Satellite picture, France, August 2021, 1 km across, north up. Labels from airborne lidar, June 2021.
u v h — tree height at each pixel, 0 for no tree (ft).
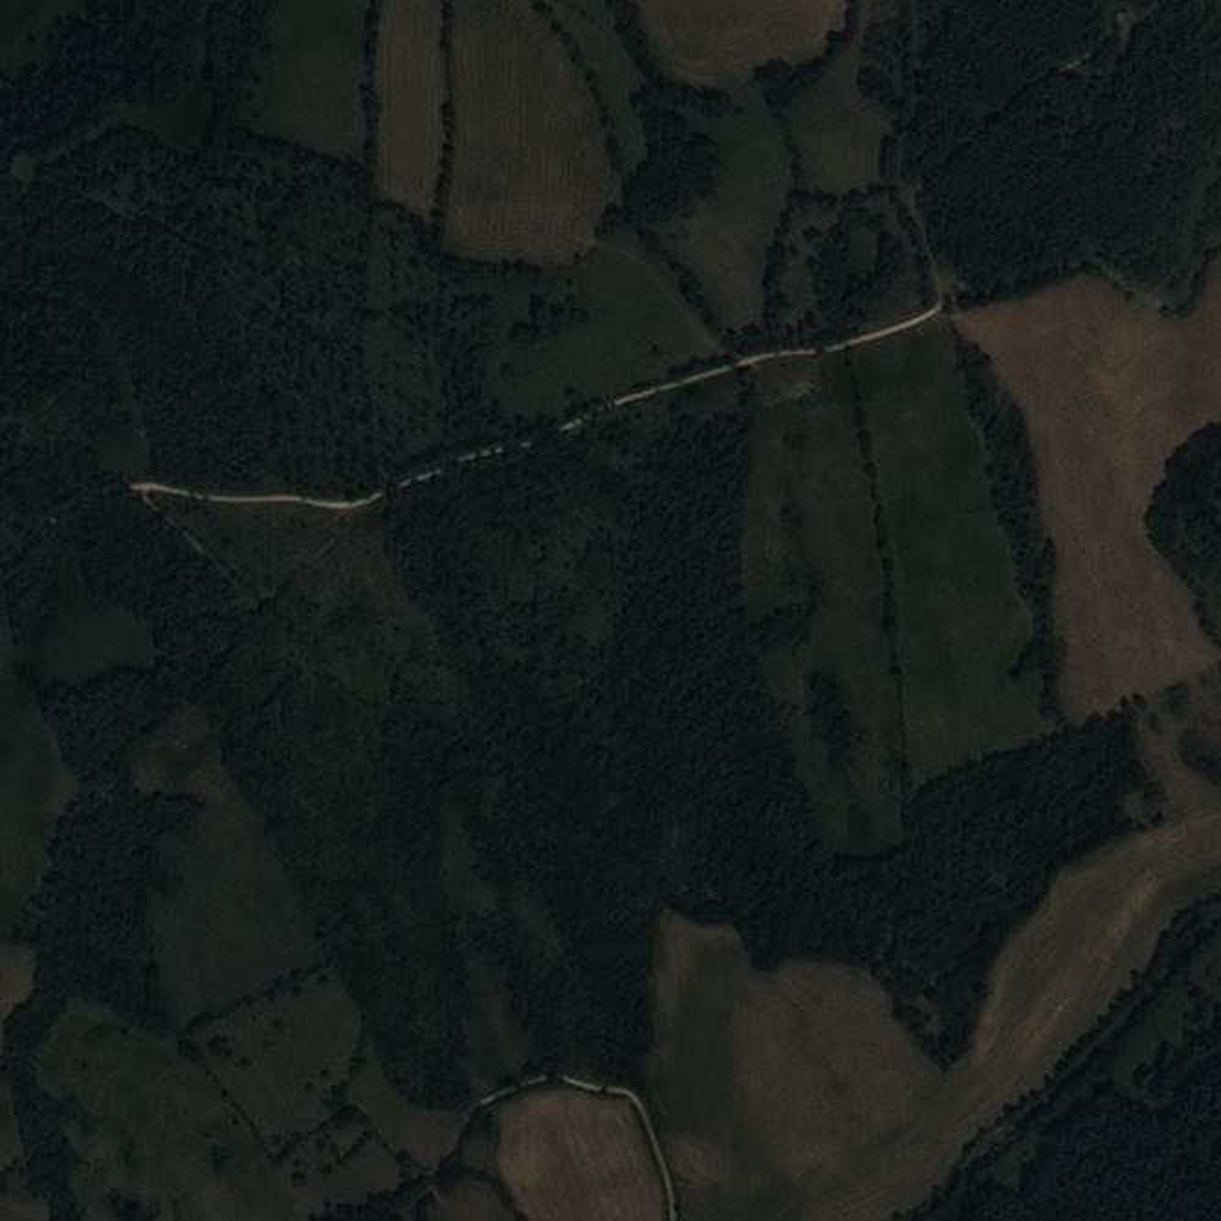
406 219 44
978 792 43
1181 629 0
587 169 0
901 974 37
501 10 0
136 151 24
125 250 29
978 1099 0
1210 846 0
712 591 44
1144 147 28
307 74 0
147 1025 54
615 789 27
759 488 0
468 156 0
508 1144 0
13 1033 44
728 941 0
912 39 21
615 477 26
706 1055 0
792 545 0
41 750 0
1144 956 0
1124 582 0
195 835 21
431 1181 21
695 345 0
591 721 36
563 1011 17
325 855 25
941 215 37
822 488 0
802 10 0
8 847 0
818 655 0
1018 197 55
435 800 22
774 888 38
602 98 28
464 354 27
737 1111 0
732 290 0
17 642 29
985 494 0
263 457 40
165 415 53
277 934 0
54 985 40
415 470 41
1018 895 44
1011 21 55
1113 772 32
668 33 0
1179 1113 58
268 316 38
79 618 0
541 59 0
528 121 0
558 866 39
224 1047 23
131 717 35
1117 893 0
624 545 27
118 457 0
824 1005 0
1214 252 23
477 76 0
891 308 0
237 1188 0
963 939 47
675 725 48
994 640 0
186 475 49
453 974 17
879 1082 0
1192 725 0
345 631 41
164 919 0
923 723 0
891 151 42
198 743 0
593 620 0
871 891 54
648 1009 28
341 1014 0
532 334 26
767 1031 0
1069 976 0
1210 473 23
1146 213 41
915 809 37
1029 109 50
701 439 46
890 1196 0
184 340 43
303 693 34
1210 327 0
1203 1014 36
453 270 47
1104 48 39
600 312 0
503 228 0
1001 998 0
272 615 28
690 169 37
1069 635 0
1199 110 22
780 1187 0
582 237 0
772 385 0
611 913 26
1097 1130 53
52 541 39
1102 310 0
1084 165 48
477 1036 0
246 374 38
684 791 36
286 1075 0
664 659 48
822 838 32
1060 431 0
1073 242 31
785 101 42
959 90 53
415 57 0
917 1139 0
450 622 30
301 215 43
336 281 35
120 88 49
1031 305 0
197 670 44
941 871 49
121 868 48
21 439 32
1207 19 26
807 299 0
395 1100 0
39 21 0
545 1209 0
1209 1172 70
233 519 0
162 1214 0
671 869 19
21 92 32
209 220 35
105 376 30
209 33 37
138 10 55
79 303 40
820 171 0
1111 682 0
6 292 18
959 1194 31
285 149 49
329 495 34
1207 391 0
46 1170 22
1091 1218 57
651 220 35
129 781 32
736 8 0
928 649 0
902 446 0
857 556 0
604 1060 18
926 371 0
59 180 28
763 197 0
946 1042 44
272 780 47
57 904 27
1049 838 31
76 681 0
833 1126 0
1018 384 0
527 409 0
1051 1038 0
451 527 51
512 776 26
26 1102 28
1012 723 0
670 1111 0
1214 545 20
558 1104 0
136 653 0
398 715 30
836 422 0
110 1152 0
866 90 26
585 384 0
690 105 43
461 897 0
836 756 27
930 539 0
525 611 35
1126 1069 0
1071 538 0
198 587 54
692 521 43
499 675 24
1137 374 0
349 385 39
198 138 0
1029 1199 51
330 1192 0
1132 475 0
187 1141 0
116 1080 0
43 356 40
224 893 0
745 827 30
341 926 36
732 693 61
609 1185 0
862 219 36
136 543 43
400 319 34
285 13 0
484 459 24
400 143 0
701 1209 0
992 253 47
